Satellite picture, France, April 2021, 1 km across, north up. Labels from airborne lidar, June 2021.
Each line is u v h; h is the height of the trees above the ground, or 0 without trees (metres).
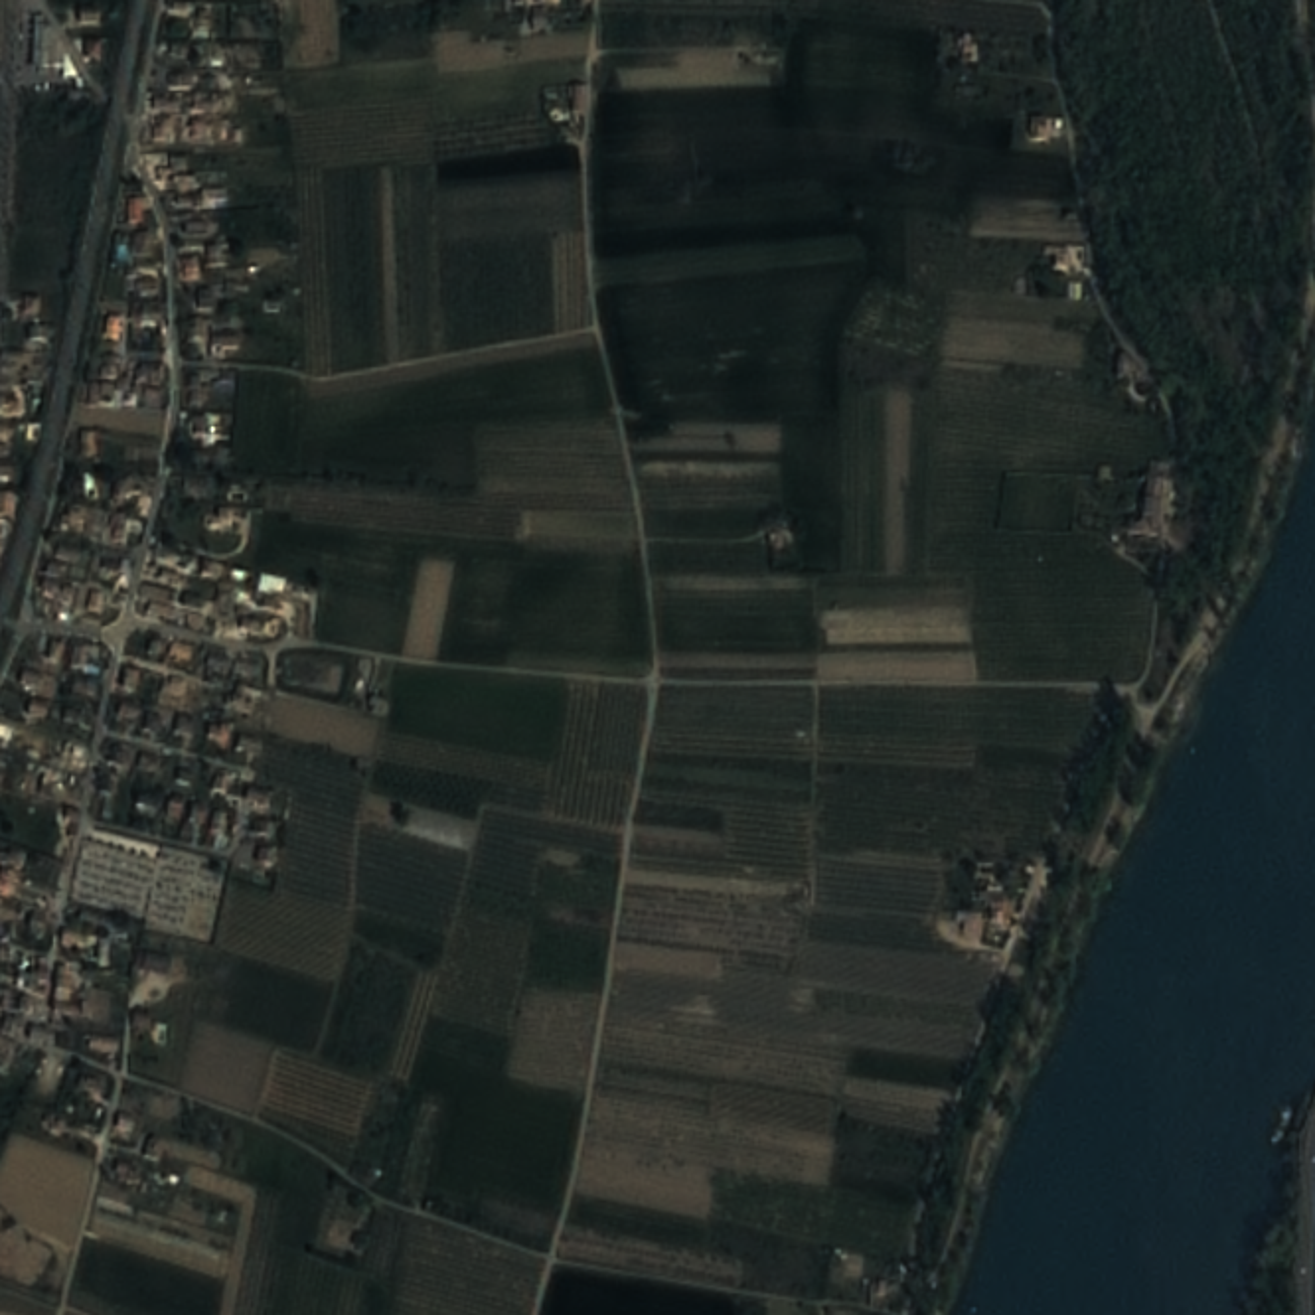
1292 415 22
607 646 0
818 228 0
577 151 0
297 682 0
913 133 0
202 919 0
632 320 0
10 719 6
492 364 0
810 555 0
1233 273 18
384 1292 0
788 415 0
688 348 0
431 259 0
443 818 0
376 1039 8
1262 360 29
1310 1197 0
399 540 0
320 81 0
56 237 0
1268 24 8
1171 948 0
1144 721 0
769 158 0
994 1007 16
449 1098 0
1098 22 12
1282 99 20
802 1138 0
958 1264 12
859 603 0
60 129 6
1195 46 11
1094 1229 0
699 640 0
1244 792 0
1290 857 0
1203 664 0
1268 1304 21
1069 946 11
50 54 0
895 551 0
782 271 0
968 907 10
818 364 0
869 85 0
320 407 0
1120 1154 0
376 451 0
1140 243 29
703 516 0
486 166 0
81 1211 0
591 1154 0
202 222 0
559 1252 0
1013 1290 0
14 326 0
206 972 0
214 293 0
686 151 0
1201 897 0
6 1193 0
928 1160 6
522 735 0
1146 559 8
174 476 6
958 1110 11
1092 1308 0
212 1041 0
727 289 0
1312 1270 0
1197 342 22
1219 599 0
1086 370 0
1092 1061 0
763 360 0
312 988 0
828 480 0
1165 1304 0
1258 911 0
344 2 0
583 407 0
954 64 10
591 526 0
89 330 9
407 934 0
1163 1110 0
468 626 0
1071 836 18
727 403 0
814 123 0
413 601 0
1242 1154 0
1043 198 0
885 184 0
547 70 0
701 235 0
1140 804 17
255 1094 0
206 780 7
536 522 0
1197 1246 0
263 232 0
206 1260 0
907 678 0
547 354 0
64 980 0
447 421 0
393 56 0
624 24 9
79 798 0
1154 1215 0
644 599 0
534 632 0
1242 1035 0
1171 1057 0
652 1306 0
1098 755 19
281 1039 0
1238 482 27
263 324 0
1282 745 0
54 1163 0
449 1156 0
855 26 0
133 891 0
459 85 0
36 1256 0
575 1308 0
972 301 0
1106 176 25
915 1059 0
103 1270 0
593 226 0
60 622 0
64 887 0
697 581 0
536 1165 0
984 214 0
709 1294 0
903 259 0
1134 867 0
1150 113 14
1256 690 0
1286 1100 0
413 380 0
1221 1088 0
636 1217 0
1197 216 11
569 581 0
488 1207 0
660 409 0
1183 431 19
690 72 0
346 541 0
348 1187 11
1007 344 0
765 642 0
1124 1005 0
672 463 0
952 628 0
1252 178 11
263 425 0
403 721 0
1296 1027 0
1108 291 26
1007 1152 0
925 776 0
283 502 0
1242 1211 0
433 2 9
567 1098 0
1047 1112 0
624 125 0
